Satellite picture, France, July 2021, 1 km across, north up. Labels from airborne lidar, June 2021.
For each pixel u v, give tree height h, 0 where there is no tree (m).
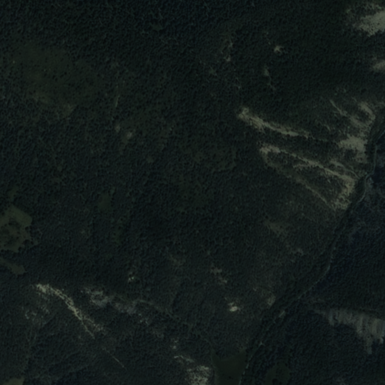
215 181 13
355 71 18
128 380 9
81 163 11
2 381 11
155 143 10
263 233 7
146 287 12
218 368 0
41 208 10
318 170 6
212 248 12
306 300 7
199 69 13
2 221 0
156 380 10
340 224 11
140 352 14
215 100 7
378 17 0
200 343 10
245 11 20
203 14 25
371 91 13
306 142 14
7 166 11
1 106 12
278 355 15
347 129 7
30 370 15
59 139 10
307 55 19
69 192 13
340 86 13
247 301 8
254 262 10
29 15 10
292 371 12
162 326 12
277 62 19
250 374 9
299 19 17
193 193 8
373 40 14
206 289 7
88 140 8
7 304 11
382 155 9
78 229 12
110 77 9
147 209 17
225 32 9
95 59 13
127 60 14
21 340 13
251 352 9
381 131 7
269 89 13
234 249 16
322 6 18
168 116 15
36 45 6
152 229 18
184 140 7
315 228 12
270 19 10
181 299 10
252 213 11
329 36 19
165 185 11
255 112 8
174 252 8
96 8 10
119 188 11
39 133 13
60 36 7
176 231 9
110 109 8
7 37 13
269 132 9
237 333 12
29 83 7
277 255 12
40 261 12
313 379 11
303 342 9
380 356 16
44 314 8
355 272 13
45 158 15
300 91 14
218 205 17
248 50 18
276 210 9
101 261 18
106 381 7
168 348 7
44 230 8
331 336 15
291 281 14
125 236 10
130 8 16
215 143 6
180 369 9
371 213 10
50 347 11
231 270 14
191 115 15
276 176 14
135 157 9
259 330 9
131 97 10
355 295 17
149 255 13
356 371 9
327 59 17
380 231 8
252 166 13
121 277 17
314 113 7
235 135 14
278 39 17
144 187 16
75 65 10
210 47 17
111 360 7
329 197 6
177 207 9
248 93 17
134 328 8
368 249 12
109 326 10
